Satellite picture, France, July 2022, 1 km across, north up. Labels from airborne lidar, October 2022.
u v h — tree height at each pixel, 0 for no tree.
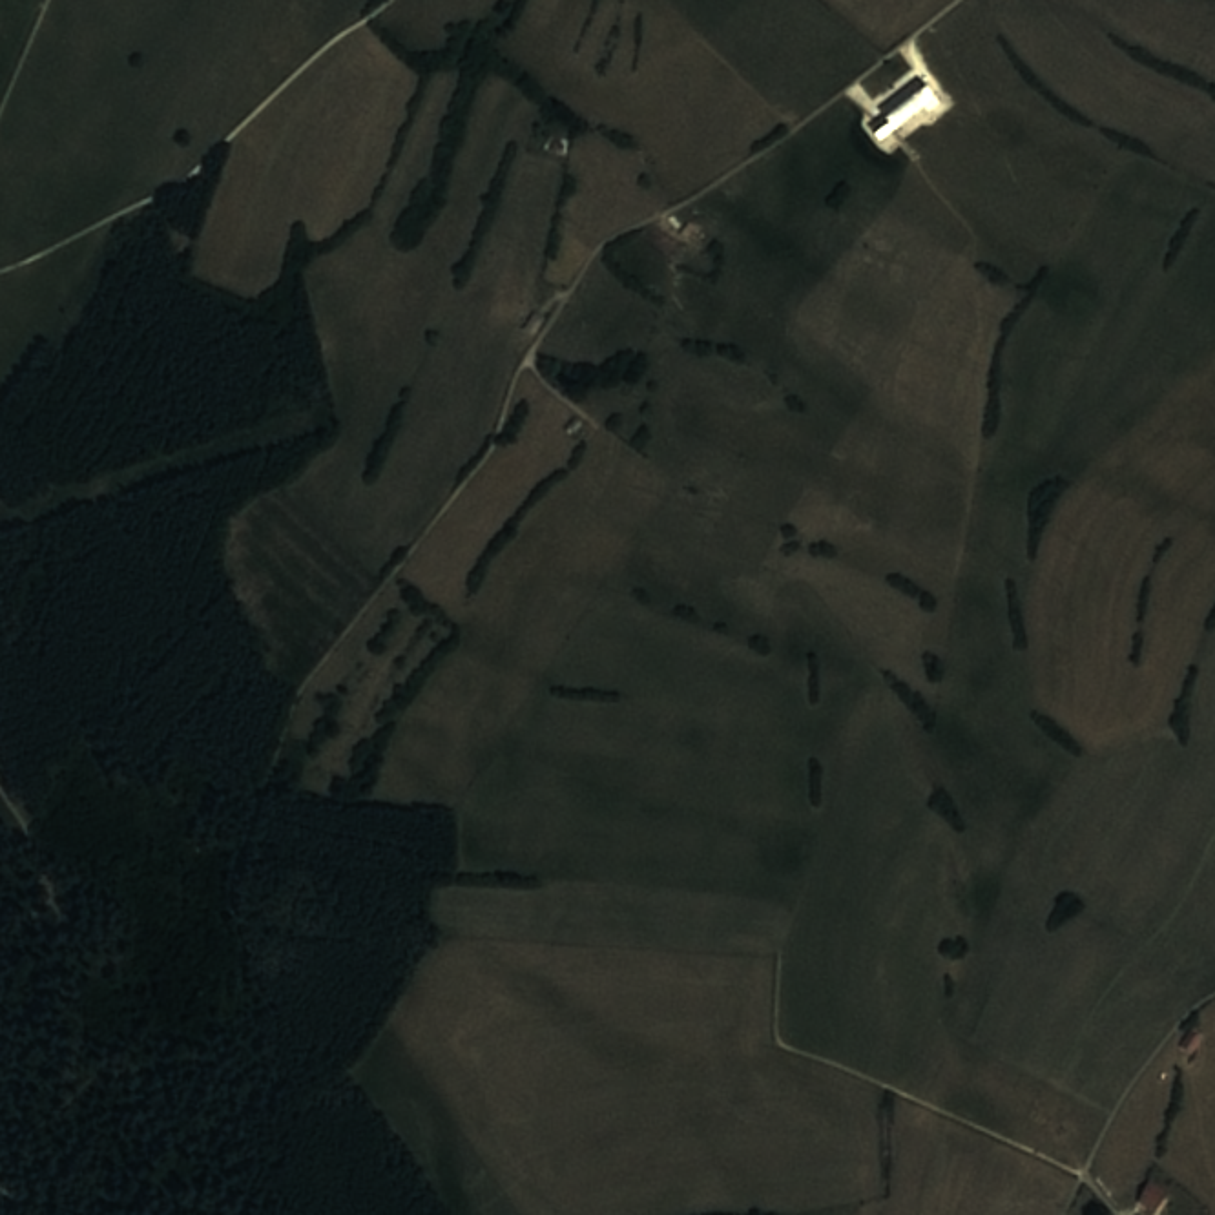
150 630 19
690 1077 0
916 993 0
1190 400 0
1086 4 0
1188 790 0
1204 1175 0
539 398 0
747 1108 0
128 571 22
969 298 0
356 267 0
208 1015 7
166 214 15
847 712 0
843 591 0
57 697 20
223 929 7
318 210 0
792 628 0
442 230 0
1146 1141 0
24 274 0
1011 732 0
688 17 0
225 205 0
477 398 0
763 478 0
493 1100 0
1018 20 0
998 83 0
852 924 0
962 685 0
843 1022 0
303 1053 21
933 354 0
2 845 22
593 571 0
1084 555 0
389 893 15
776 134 6
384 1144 18
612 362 8
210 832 19
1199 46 0
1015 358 0
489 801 0
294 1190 20
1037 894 0
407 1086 0
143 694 21
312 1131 19
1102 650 0
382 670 0
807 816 0
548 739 0
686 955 0
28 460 19
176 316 18
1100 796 0
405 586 7
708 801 0
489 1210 0
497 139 0
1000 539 0
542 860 0
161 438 21
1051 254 0
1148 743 0
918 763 0
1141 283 0
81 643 23
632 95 0
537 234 0
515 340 0
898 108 0
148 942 11
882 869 0
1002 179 0
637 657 0
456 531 0
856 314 0
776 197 0
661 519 0
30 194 0
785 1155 0
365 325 0
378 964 18
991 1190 0
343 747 0
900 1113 0
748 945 0
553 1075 0
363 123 0
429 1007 0
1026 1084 0
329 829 24
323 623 0
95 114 0
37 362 15
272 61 0
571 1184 0
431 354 0
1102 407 0
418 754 0
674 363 0
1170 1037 0
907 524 0
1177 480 0
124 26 0
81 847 6
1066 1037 0
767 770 0
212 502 16
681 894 0
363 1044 21
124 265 9
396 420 6
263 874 23
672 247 0
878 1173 0
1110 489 0
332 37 0
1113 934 0
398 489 0
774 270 0
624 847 0
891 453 0
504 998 0
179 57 0
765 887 0
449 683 0
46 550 13
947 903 0
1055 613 0
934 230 0
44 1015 28
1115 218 0
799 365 0
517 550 0
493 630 0
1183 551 0
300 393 10
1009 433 0
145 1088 23
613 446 0
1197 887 0
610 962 0
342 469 0
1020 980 0
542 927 0
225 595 20
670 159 0
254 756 25
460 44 8
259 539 0
